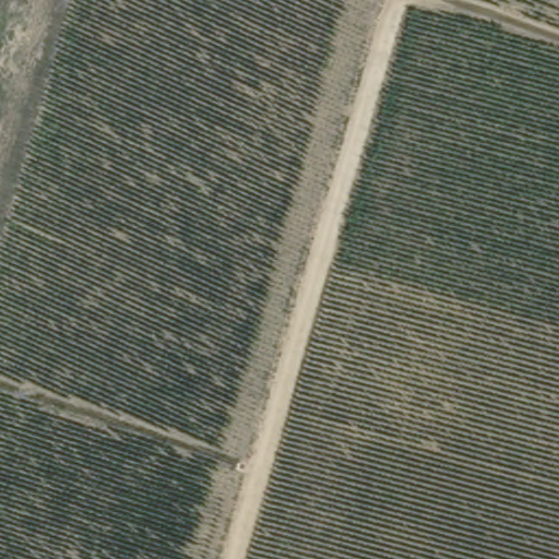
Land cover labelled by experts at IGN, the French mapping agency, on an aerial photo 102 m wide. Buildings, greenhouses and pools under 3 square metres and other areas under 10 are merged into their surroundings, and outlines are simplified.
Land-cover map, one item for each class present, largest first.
<instances>
[{"label":"vineyard","instance_id":"1","mask_svg":"<svg viewBox=\"0 0 559 559\"><path fill-rule=\"evenodd\" d=\"M386 0H50V24L44 37V57L37 61L33 79L28 83V94L20 109L15 142L11 146L7 162L2 164L0 179V559H223L225 542L229 537L234 513L238 509L240 491L245 485V474L236 469V465L238 461H249L253 456L258 428L264 419L266 402L271 395L269 382L275 376L282 358V341L290 325L297 288L308 264L321 205L330 192L334 168L338 164L341 146L347 133L352 107L362 83L369 46L373 41V31ZM245 559H559V0H439V4L432 11L406 7L400 35L395 39L393 57L386 70V79L382 83L378 107L371 120V131L360 157L358 177L349 192L343 227L338 231V247L325 275V284L319 297V306L314 312V321L293 389L288 415L282 428V439L275 452L269 485Z\"/></svg>","mask_w":559,"mask_h":559},{"label":"pervious surface","instance_id":"2","mask_svg":"<svg viewBox=\"0 0 559 559\"><path fill-rule=\"evenodd\" d=\"M439 4V0H386L373 31V41L369 46L362 83L352 107L347 133L341 146L338 164L334 168L330 192L321 205L308 264L297 288L290 325L282 341V358L275 376L269 382L271 395L266 402L264 419L258 428L253 456L249 461H238L236 465V469L245 474V485L240 491L238 509L234 513L229 537L225 542L223 559H245L269 485L275 452L282 439V428L288 415L293 389L314 321V312L319 306V297L325 284V275L338 247V231L343 227L349 192L358 177L360 157L371 131V120L378 107L382 83L386 79V70L393 57L395 39L400 35L406 7L432 11Z\"/></svg>","mask_w":559,"mask_h":559},{"label":"herbaceous vegetation","instance_id":"3","mask_svg":"<svg viewBox=\"0 0 559 559\"><path fill-rule=\"evenodd\" d=\"M50 0H0V179L2 164L7 162L11 146L15 142L20 109L28 94V83L33 79L37 61L44 57V37L50 24Z\"/></svg>","mask_w":559,"mask_h":559}]
</instances>
